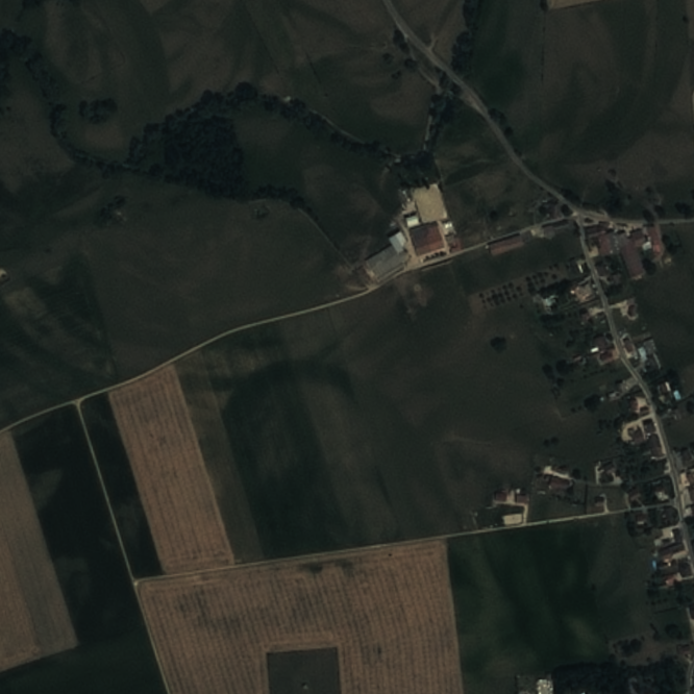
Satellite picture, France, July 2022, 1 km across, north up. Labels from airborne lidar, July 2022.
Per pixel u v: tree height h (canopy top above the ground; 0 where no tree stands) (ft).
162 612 0
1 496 0
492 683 0
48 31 0
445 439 0
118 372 0
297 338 0
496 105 0
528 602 0
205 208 0
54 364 0
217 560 0
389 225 0
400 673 0
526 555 0
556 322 44
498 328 0
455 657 0
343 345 0
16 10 0
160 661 0
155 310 0
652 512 18
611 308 0
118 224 0
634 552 0
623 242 0
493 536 0
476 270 0
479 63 0
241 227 0
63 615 0
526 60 0
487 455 0
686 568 0
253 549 0
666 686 20
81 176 0
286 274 0
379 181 0
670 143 0
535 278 21
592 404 50
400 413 0
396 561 0
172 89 0
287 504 0
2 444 0
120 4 0
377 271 0
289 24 0
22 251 0
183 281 0
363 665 0
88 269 0
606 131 0
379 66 0
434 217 0
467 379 0
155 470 0
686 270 0
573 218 0
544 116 0
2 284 0
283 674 0
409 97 0
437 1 0
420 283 0
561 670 41
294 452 0
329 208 0
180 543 0
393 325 0
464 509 0
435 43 0
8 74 81
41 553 0
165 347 0
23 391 0
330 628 0
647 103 0
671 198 0
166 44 0
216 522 0
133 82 0
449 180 0
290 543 0
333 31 0
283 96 0
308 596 0
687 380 0
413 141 0
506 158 0
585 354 0
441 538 0
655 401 24
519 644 0
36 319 0
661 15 0
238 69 0
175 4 0
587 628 0
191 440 0
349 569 0
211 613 0
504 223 0
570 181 0
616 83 0
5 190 0
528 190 0
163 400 0
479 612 0
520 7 0
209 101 60
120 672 0
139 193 0
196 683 0
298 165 0
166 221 0
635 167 0
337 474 0
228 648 0
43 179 0
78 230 0
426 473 0
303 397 0
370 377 0
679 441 0
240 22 0
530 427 0
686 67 0
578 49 0
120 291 0
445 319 0
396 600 0
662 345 0
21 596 0
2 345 0
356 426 0
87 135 0
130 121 0
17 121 0
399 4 0
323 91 0
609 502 0
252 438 0
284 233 0
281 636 0
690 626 0
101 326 0
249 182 96
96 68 0
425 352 0
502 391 0
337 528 0
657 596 30
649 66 0
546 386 0
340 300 0
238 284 0
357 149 53
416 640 0
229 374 0
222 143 102
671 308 0
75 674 0
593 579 0
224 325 0
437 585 0
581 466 0
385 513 0
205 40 0
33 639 0
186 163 46
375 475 0
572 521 0
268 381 0
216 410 0
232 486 0
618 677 69
